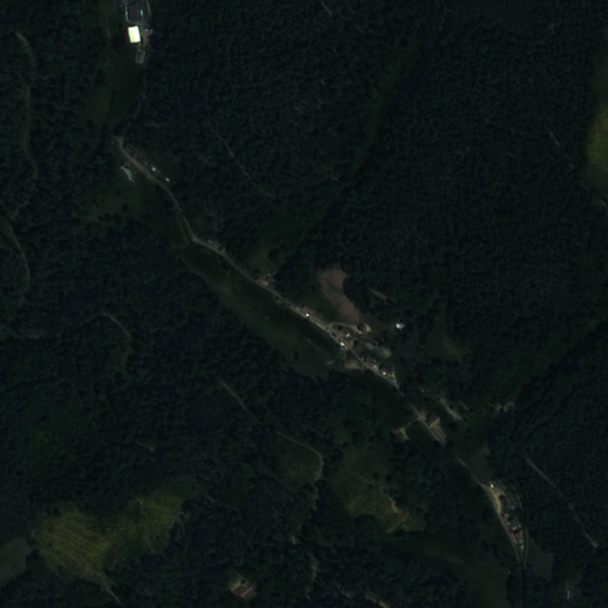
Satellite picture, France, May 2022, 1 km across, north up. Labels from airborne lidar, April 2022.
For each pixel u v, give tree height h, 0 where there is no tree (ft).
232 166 96
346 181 93
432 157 57
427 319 51
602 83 0
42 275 44
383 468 0
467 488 0
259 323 0
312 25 64
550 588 56
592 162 0
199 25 71
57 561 0
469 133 69
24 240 41
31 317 94
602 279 46
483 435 0
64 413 61
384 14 81
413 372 76
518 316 25
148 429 54
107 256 82
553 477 62
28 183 29
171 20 58
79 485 22
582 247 36
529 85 51
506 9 80
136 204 0
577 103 62
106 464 53
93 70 62
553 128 81
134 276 84
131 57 0
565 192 83
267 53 71
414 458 102
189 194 43
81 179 85
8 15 83
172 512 0
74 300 123
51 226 72
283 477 74
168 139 49
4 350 24
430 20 103
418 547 0
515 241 76
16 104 77
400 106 79
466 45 83
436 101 72
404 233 39
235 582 0
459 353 0
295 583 84
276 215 73
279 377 99
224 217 52
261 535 100
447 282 78
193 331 118
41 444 63
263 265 0
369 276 47
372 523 75
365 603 94
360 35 85
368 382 0
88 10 49
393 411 0
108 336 63
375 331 0
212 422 69
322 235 28
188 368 85
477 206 94
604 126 0
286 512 98
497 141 89
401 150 69
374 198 51
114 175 94
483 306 49
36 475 39
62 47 77
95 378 79
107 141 35
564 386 96
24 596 36
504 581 0
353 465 0
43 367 60
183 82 52
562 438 64
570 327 95
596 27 72
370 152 17
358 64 105
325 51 89
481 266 80
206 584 106
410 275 67
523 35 60
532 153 72
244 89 71
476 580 0
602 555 77
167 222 0
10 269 57
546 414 103
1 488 65
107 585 0
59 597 60
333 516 84
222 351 64
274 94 68
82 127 96
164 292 117
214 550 118
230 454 112
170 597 87
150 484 74
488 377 74
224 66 76
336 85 86
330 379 0
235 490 94
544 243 62
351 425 65
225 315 84
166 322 105
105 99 0
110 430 60
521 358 63
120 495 70
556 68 71
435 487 85
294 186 58
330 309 0
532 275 62
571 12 64
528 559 0
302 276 47
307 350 0
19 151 96
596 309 83
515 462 82
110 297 84
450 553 0
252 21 102
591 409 55
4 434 58
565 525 63
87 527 0
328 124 51
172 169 0
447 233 84
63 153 93
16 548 0
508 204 81
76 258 77
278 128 69
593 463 57
